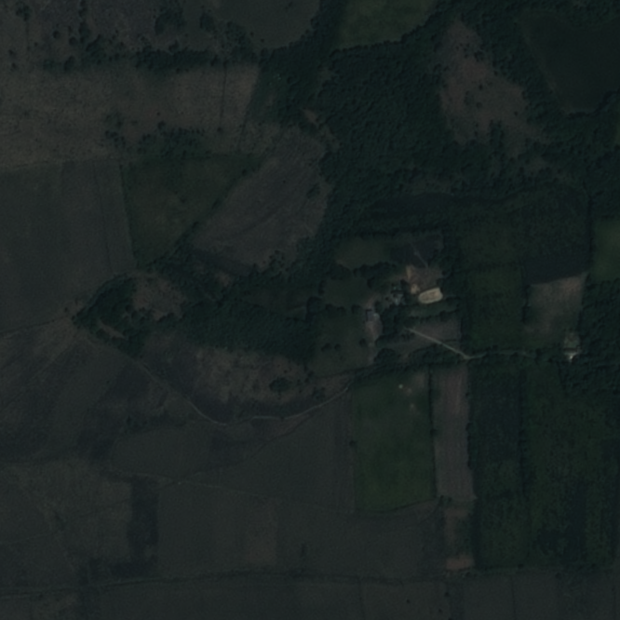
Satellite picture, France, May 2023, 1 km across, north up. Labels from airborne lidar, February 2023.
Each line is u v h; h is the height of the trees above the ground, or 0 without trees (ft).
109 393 0
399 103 38
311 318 65
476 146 50
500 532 0
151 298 0
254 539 0
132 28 0
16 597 0
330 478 0
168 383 0
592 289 50
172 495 0
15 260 0
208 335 28
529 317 46
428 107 51
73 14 0
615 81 0
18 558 0
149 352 0
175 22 23
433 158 44
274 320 30
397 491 0
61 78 0
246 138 0
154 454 0
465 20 37
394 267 42
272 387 32
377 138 41
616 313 45
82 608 0
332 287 0
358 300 0
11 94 0
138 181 0
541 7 29
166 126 31
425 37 47
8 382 0
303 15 0
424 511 0
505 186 35
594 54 0
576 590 0
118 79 0
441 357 25
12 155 0
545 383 0
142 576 0
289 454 0
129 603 0
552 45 0
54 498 0
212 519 0
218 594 0
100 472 0
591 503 0
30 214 0
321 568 0
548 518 0
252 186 0
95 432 0
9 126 0
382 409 0
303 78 55
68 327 0
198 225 30
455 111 0
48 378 0
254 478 0
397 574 0
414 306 18
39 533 0
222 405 0
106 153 0
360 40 0
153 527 0
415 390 0
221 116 0
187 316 36
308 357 41
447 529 0
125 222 0
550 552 0
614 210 53
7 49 0
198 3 0
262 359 0
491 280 0
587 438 0
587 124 68
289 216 0
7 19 0
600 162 55
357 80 38
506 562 0
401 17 0
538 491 0
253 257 0
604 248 0
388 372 29
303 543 0
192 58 36
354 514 0
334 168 43
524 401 44
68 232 0
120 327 46
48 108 0
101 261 0
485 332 0
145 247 0
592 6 18
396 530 0
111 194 0
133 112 0
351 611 0
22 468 0
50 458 0
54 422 0
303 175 0
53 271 0
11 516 0
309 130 35
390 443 0
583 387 49
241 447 0
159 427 0
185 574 0
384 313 39
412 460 0
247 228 0
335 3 31
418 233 36
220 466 0
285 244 0
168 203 0
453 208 0
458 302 28
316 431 0
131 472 0
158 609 0
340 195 31
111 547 0
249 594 0
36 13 0
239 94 0
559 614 0
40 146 0
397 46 45
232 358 0
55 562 0
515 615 0
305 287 22
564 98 0
